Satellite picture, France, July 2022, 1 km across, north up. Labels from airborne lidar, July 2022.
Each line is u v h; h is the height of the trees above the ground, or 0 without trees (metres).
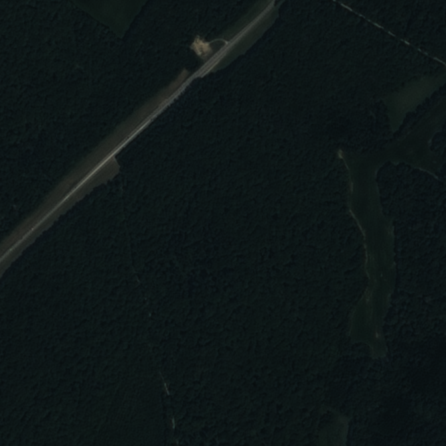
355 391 28
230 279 23
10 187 24
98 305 22
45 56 21
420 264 14
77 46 16
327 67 22
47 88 23
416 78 23
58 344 22
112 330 24
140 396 10
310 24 24
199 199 20
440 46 23
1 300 23
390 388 20
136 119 0
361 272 20
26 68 21
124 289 18
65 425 21
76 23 23
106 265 18
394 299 17
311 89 21
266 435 27
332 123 18
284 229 24
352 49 23
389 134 20
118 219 17
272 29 14
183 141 24
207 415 21
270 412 27
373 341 0
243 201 19
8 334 21
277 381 19
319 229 24
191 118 20
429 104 21
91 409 19
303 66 23
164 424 9
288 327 25
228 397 25
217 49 0
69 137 18
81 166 0
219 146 24
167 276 22
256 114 22
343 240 21
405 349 20
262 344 25
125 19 0
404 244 22
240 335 24
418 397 21
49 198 0
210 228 27
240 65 19
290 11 20
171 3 23
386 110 20
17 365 18
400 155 0
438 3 21
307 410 26
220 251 22
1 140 24
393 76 27
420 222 25
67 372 22
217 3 19
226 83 24
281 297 26
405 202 28
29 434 23
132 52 27
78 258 21
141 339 20
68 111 15
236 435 26
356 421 25
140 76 22
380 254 0
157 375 20
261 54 22
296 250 25
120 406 11
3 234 19
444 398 11
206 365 23
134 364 16
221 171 18
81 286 18
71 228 17
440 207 21
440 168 0
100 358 25
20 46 21
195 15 21
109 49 21
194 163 23
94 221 18
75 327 23
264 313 25
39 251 18
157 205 21
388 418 20
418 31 22
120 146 0
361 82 22
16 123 21
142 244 28
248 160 25
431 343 26
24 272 16
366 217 0
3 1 21
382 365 20
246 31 0
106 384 20
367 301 0
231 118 24
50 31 22
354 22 23
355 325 0
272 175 22
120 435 10
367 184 0
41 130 20
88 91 21
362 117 27
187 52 16
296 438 25
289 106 24
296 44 23
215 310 23
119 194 16
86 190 0
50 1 21
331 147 24
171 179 22
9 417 26
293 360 25
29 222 0
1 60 20
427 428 21
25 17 19
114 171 0
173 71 19
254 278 26
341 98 22
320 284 19
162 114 10
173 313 23
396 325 23
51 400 21
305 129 20
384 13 25
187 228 22
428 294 27
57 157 20
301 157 22
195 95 21
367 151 18
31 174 21
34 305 16
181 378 20
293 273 24
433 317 25
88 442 18
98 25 19
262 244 21
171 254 22
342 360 11
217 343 23
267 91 22
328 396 16
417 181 21
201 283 30
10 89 24
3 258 0
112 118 21
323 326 25
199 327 23
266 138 21
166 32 22
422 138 0
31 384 17
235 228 23
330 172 27
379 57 25
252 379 26
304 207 23
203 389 20
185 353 20
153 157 20
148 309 16
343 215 21
